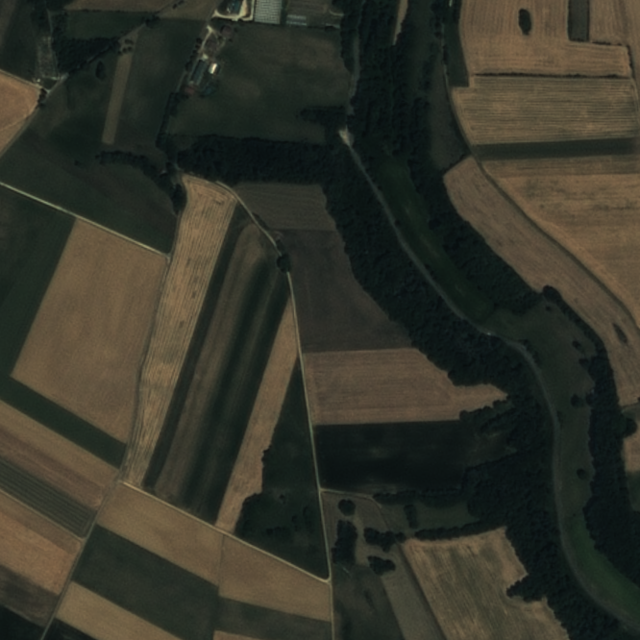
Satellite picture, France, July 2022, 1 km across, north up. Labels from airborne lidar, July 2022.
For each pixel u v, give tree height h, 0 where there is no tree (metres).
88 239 0
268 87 0
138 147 0
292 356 0
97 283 0
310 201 0
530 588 16
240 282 0
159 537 0
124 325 0
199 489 0
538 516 21
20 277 0
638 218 0
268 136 0
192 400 0
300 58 0
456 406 0
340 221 13
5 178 0
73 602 0
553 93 0
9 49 0
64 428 0
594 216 0
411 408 0
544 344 0
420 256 0
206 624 0
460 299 0
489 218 0
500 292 10
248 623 0
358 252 11
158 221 0
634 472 0
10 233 0
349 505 14
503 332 0
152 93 0
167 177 16
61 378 0
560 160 0
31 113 0
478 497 18
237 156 12
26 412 0
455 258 18
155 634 0
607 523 21
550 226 0
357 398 0
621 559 21
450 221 18
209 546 0
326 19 0
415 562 0
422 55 0
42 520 0
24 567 0
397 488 0
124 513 0
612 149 0
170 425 0
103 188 0
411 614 0
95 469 0
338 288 0
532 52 0
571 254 0
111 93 0
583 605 19
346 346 0
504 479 23
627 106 0
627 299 0
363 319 0
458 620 0
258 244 0
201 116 0
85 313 0
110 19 0
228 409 0
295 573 0
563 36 0
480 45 0
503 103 0
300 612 0
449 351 20
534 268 0
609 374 13
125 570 0
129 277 0
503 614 0
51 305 0
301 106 0
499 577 0
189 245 0
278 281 0
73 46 10
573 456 0
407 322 9
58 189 0
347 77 0
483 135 0
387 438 0
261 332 0
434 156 0
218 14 0
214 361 0
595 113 0
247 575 0
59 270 0
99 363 0
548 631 0
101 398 0
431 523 0
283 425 0
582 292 0
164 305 0
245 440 0
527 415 17
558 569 21
